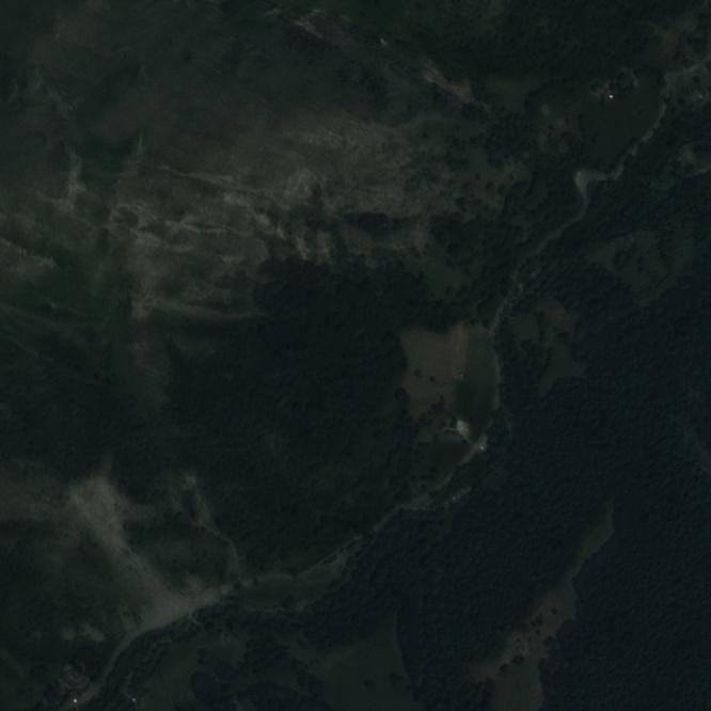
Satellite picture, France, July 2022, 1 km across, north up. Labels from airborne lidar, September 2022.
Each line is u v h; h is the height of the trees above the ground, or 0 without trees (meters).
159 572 0
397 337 9
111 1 0
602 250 0
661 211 9
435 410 13
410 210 0
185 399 8
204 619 13
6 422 9
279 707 26
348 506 12
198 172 0
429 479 8
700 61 0
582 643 31
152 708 0
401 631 11
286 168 0
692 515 25
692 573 24
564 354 0
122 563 0
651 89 0
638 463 33
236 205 0
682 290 6
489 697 19
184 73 0
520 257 11
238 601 10
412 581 22
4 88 0
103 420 10
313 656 0
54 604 8
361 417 15
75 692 8
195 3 0
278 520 24
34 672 8
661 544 23
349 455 17
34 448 6
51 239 0
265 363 18
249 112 0
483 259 12
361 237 0
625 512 22
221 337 6
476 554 23
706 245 7
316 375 8
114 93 0
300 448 17
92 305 0
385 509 18
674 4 12
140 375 0
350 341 8
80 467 9
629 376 23
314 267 10
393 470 15
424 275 17
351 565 17
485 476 10
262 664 9
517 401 13
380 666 0
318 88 0
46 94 0
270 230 0
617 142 0
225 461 9
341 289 24
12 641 8
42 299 0
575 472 25
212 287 0
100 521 0
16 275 0
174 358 7
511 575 32
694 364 11
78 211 0
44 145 0
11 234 0
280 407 17
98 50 0
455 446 0
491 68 9
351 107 0
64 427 10
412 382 0
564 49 8
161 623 0
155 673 7
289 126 0
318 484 8
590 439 32
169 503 0
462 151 7
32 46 0
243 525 10
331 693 0
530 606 14
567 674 31
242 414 13
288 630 13
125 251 0
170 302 0
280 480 21
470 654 16
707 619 26
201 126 0
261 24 0
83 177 0
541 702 0
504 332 15
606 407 20
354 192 0
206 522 0
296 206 0
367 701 0
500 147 22
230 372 7
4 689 0
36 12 0
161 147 0
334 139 0
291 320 20
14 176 0
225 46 0
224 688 11
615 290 23
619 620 25
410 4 0
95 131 0
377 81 7
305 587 0
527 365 11
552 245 15
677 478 28
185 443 9
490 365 0
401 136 0
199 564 7
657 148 18
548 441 30
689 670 24
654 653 31
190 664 0
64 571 9
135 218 0
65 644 8
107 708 11
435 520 14
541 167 17
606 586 31
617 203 18
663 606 19
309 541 10
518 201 21
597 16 13
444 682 22
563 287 14
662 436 23
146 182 0
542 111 0
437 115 0
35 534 7
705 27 9
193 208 0
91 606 6
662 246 9
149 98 0
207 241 0
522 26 17
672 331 30
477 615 33
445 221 9
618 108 0
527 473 27
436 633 28
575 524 27
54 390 10
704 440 7
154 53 0
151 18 0
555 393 7
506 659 0
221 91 0
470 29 7
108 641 7
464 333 0
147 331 0
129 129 0
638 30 26
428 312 8
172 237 0
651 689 25
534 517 34
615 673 18
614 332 18
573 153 15
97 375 10
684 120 15
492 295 9
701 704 17
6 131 0
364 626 26
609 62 9
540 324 8
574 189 29
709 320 16
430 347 0
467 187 6
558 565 27
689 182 6
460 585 22
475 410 0
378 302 10
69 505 0
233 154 0
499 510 19
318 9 0
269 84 0
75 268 0
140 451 7
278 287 8
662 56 0
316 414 22
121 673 8
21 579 6
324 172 0
